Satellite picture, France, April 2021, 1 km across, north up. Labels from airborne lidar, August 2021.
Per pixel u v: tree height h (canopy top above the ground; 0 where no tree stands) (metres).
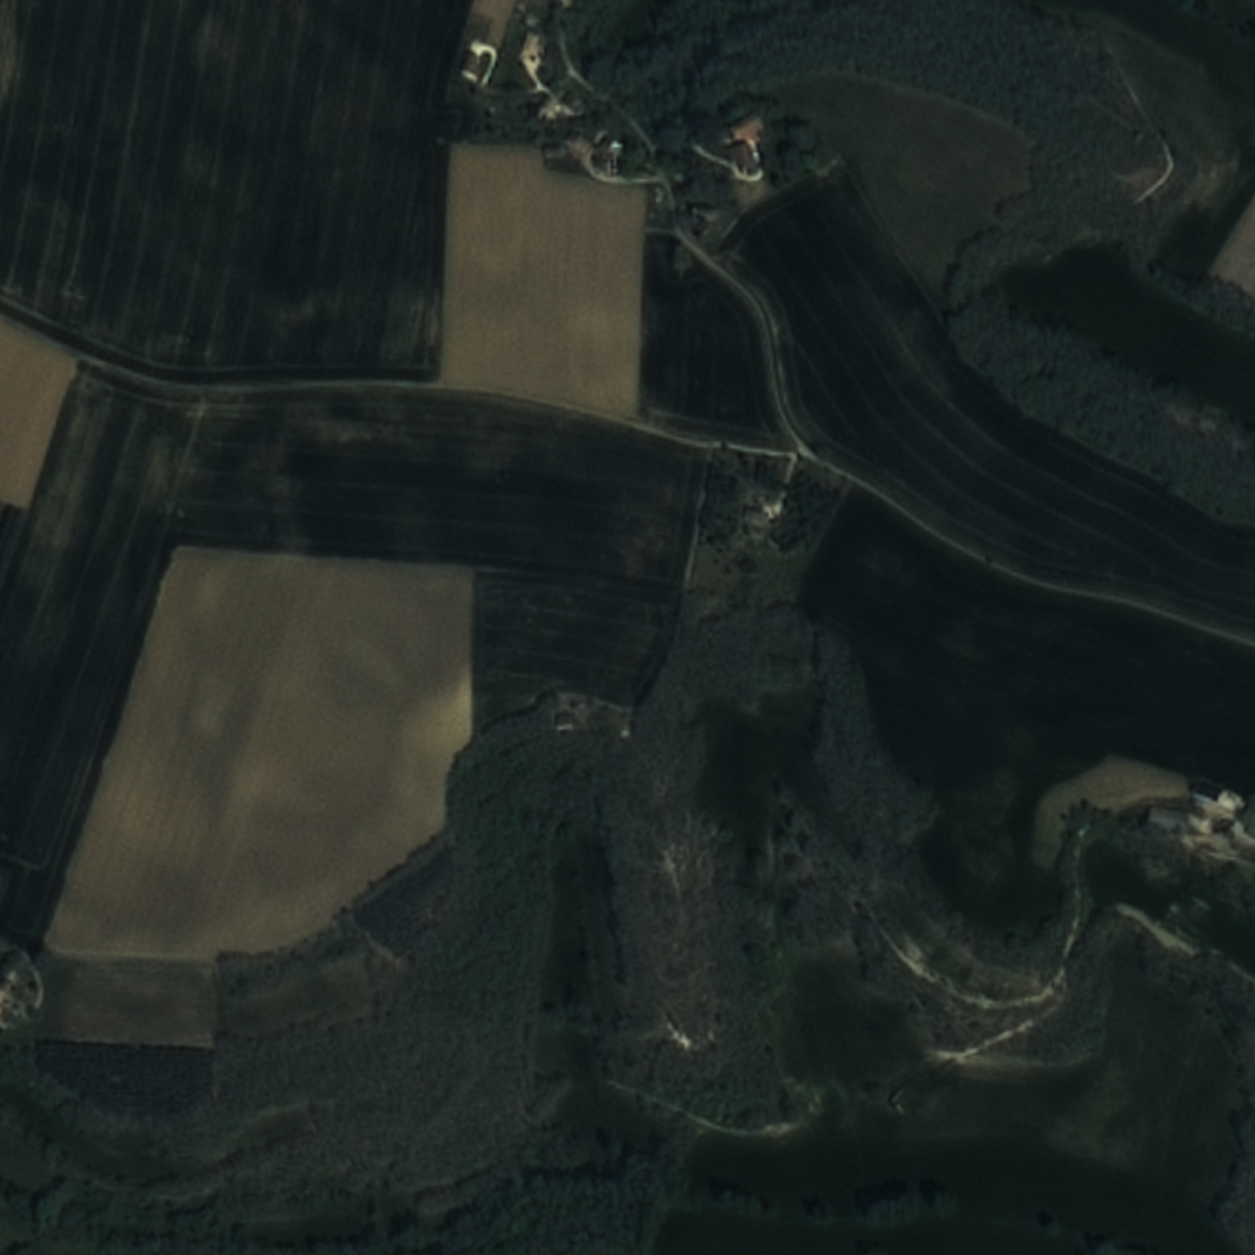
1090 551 0
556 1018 19
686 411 0
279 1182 19
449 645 0
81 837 0
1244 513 14
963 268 12
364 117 0
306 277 0
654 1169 23
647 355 0
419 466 0
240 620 0
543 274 0
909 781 13
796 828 15
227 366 0
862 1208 0
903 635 0
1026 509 0
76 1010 0
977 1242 0
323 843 0
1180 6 12
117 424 0
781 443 0
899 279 0
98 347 0
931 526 0
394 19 0
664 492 0
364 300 0
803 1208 0
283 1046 15
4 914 0
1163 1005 0
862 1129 0
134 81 0
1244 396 0
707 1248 0
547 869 25
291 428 0
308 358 0
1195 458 19
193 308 0
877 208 0
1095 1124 0
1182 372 0
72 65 0
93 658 0
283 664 0
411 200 0
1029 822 0
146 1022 0
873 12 16
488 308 0
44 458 0
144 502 0
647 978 12
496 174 0
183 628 0
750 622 17
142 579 0
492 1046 15
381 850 0
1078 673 0
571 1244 25
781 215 0
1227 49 0
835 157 0
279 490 0
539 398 0
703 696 15
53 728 0
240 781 0
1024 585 0
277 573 0
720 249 0
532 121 7
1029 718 0
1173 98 0
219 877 0
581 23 24
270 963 10
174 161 0
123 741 0
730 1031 14
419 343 0
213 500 0
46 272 0
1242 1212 19
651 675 0
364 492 0
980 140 0
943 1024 6
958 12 19
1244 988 19
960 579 0
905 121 0
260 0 0
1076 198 17
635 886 18
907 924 0
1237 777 0
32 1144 11
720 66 18
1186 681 0
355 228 0
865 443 0
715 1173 0
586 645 0
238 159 0
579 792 20
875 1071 0
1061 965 12
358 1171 18
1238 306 22
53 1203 16
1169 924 0
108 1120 12
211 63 0
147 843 0
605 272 0
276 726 0
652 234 0
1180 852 14
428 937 14
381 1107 14
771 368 0
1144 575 0
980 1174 0
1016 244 16
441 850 11
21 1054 8
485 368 0
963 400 0
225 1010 0
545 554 0
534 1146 13
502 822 20
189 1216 13
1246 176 0
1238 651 0
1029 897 0
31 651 0
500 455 0
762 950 18
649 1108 18
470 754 10
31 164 0
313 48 0
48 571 0
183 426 0
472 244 0
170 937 0
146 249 0
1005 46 17
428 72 0
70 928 0
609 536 0
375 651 0
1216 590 0
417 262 0
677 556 0
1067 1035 15
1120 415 20
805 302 0
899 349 0
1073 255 0
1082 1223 0
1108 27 0
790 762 0
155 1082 11
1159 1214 0
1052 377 10
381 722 0
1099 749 0
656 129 6
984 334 19
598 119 6
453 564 0
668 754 11
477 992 21
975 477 0
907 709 0
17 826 0
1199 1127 0
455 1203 17
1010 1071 0
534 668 0
